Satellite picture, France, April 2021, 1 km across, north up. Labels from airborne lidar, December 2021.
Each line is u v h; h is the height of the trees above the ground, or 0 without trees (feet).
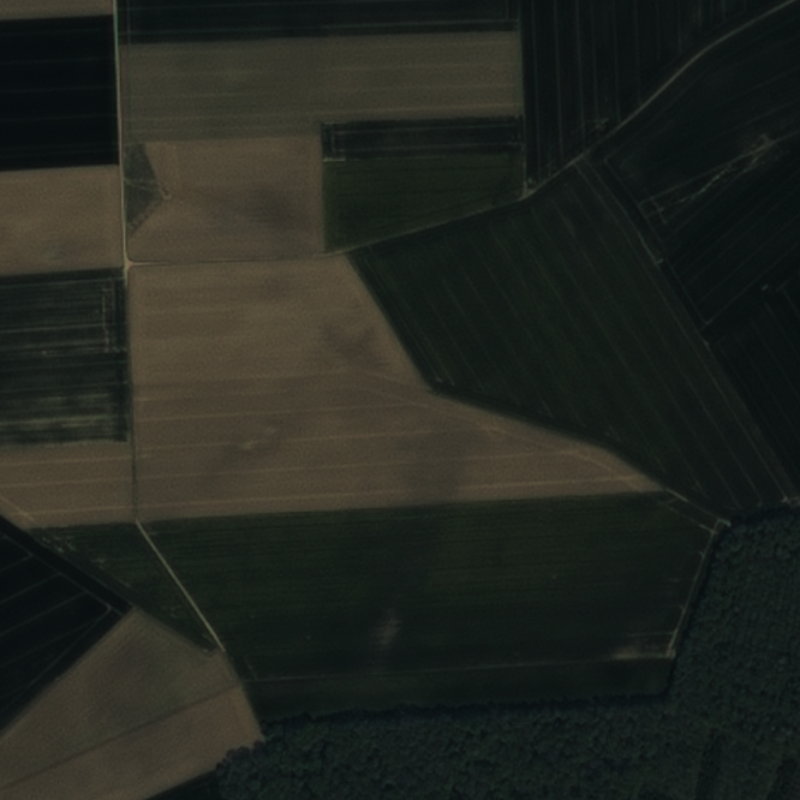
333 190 0
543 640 0
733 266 0
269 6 0
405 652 0
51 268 0
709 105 0
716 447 0
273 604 0
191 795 0
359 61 0
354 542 0
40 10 0
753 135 0
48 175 0
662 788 42
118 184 0
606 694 0
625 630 0
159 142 0
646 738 73
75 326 0
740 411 0
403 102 0
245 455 0
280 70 0
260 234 0
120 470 0
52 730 0
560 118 0
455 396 0
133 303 0
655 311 0
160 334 0
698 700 72
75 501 0
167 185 0
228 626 0
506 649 0
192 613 0
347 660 0
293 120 0
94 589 0
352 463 0
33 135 0
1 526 0
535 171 0
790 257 0
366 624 0
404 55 0
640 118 0
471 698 0
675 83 0
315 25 0
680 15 0
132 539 0
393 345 0
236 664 0
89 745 0
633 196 0
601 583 0
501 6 0
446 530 0
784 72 0
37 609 0
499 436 0
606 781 78
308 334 0
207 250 0
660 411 0
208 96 0
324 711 0
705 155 0
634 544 0
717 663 74
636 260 0
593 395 0
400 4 0
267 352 0
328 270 0
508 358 0
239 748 0
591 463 0
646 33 0
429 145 0
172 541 0
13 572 0
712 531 0
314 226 0
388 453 0
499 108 0
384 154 0
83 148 0
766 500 0
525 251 0
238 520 0
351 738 63
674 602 0
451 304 0
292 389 0
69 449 0
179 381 0
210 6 0
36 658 0
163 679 0
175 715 0
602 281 0
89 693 0
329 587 0
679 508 0
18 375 0
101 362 0
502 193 0
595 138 0
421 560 0
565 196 0
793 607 60
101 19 0
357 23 0
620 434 0
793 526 70
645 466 0
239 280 0
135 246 0
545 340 0
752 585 55
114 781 0
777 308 0
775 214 0
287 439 0
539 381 0
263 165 0
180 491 0
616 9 0
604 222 0
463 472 0
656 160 0
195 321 0
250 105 0
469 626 0
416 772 87
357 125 0
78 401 0
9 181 0
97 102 0
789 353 0
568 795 72
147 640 0
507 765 79
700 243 0
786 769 25
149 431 0
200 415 0
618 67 0
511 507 0
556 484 0
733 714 75
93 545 0
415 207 0
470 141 0
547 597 0
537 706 20
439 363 0
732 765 73
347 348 0
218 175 0
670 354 0
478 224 0
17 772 0
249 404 0
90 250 0
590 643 0
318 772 71
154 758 0
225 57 0
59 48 0
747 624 59
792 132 0
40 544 0
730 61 0
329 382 0
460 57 0
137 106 0
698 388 0
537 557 0
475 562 0
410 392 0
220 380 0
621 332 0
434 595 0
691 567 0
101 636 0
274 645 0
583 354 0
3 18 0
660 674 0
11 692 0
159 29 0
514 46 0
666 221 0
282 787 72
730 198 0
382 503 0
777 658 76
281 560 0
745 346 0
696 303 0
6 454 0
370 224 0
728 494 0
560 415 0
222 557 0
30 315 0
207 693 0
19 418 0
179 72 0
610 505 0
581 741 77
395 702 0
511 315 0
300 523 0
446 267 0
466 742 69
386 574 0
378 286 0
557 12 0
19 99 0
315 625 0
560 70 0
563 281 0
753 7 0
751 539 62
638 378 0
